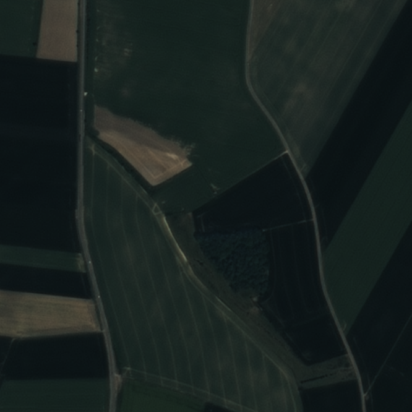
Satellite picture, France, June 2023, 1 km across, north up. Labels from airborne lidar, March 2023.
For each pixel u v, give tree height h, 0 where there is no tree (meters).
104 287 0
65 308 0
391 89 0
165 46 0
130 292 0
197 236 18
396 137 0
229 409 0
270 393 0
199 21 0
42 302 0
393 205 0
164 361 0
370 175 0
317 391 0
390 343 0
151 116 0
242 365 0
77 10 0
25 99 0
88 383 0
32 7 0
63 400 0
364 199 0
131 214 0
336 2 0
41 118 0
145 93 0
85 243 0
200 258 0
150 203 0
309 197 0
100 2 0
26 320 0
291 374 0
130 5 0
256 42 0
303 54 0
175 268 0
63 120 0
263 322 0
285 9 0
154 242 0
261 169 0
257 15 0
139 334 0
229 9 0
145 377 0
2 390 0
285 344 0
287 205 0
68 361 0
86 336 0
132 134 0
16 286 0
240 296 0
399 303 0
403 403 0
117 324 0
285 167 0
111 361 0
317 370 0
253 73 0
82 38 0
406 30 0
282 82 0
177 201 0
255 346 0
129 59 0
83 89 0
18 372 0
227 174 0
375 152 0
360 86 0
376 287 0
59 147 0
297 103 0
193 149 0
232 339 0
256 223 0
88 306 0
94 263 0
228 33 0
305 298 0
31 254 0
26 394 0
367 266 0
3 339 0
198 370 0
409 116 0
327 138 0
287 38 0
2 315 0
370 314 0
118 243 0
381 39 0
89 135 0
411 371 0
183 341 0
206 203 0
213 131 0
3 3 0
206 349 0
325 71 0
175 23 0
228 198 0
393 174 0
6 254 0
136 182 0
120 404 0
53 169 0
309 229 0
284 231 0
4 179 0
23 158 0
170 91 0
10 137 0
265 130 0
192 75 0
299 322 0
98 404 0
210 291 0
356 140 0
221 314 0
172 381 0
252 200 0
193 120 0
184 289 0
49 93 0
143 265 0
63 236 0
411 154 0
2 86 0
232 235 18
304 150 0
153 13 0
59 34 0
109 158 0
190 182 0
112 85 0
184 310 0
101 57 0
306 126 0
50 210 0
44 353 0
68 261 0
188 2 0
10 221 0
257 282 19
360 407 0
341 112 0
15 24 0
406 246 0
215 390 0
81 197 0
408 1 0
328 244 0
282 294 0
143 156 0
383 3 0
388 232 0
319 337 0
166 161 0
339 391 0
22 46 0
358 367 0
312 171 0
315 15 0
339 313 0
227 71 0
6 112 0
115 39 0
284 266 0
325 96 0
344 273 0
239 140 0
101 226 0
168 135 0
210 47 0
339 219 0
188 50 0
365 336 0
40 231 0
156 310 0
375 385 0
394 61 0
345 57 0
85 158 0
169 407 0
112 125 0
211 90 0
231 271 21
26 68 0
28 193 0
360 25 0
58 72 0
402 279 0
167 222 0
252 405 0
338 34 0
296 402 0
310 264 0
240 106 0
